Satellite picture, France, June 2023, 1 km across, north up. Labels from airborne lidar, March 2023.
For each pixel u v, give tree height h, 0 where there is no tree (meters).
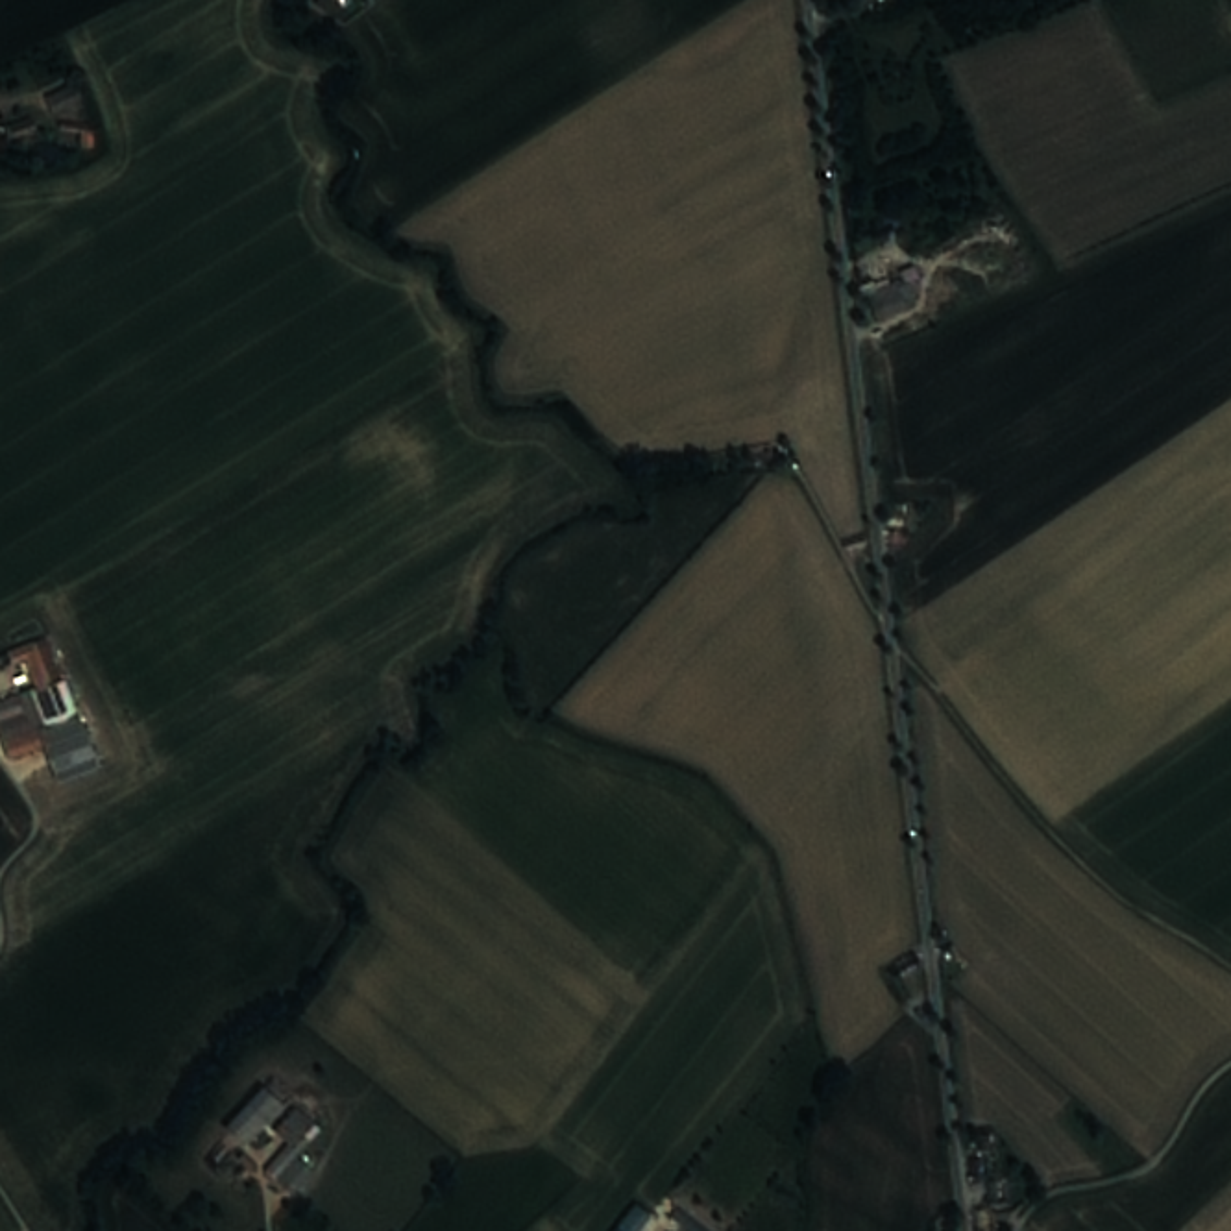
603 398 0
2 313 0
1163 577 0
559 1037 0
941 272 0
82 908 0
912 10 7
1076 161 0
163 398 0
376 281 0
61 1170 0
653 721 0
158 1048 0
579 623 0
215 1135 0
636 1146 0
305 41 18
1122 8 0
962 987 0
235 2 0
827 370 0
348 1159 0
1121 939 0
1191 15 0
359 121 0
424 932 0
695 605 0
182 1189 0
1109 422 0
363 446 0
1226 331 0
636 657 0
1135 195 0
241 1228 0
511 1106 0
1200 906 0
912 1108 0
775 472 14
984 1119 0
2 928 0
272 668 0
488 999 0
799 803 0
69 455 0
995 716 0
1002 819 0
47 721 0
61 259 0
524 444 0
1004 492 0
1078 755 0
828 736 0
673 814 0
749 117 0
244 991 0
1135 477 0
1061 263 0
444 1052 0
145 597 0
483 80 0
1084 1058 0
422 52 0
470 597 0
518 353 0
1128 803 0
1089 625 0
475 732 0
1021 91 0
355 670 0
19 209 0
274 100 0
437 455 0
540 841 0
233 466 0
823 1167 0
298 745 0
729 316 0
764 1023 0
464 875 0
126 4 0
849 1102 0
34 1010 0
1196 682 0
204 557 0
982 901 0
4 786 0
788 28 0
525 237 0
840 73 9
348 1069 0
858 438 0
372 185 0
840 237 0
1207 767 0
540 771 0
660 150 0
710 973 0
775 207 0
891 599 0
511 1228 0
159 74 0
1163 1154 0
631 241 0
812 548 0
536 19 0
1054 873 0
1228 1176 0
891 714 0
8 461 0
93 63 0
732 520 0
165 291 0
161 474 0
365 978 0
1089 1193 0
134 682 0
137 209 0
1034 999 0
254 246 0
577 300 0
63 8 0
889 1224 0
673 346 0
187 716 0
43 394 0
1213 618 0
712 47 0
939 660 0
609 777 0
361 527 0
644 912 0
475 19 0
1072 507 0
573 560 0
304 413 0
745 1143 0
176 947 0
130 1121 0
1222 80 0
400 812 0
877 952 0
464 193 0
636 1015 0
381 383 0
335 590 0
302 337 0
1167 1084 0
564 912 0
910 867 0
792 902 0
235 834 0
